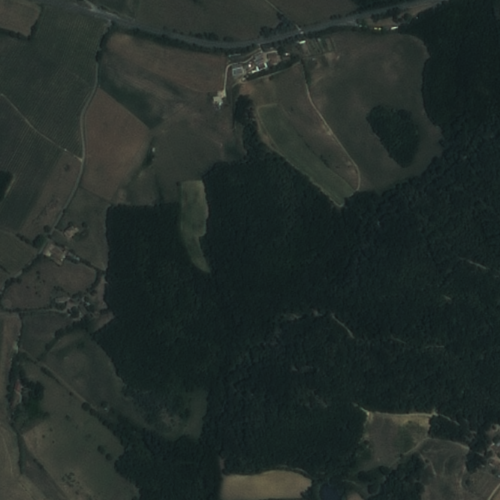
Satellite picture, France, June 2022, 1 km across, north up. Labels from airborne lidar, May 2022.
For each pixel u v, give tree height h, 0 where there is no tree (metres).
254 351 24
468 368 22
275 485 0
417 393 15
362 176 0
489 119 10
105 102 0
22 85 0
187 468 18
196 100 0
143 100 0
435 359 15
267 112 0
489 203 19
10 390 11
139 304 16
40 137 0
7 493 0
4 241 0
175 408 11
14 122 0
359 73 0
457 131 17
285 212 21
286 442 15
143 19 0
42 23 0
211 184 17
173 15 0
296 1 0
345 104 0
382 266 17
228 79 0
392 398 20
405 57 0
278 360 21
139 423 0
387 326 19
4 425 0
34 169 0
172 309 16
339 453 21
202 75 0
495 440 8
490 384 17
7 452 0
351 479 0
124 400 0
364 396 15
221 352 19
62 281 0
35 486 0
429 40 11
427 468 0
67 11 0
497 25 11
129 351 14
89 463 0
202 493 21
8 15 0
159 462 21
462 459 0
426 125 0
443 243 18
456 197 22
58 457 0
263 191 16
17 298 0
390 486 22
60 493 0
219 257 18
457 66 15
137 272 19
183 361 15
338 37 0
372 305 20
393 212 25
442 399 16
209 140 0
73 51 0
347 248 19
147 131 0
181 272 23
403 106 0
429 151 0
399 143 10
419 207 15
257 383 25
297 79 0
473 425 14
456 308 16
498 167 21
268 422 19
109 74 0
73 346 0
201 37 18
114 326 16
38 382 9
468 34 7
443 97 7
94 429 0
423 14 13
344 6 0
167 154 0
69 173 0
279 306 24
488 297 16
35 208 0
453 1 9
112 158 0
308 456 25
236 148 0
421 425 0
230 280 20
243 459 13
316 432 14
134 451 16
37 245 21
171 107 0
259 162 17
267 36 14
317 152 0
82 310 0
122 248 14
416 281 15
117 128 0
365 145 0
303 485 0
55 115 0
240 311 21
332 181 0
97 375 0
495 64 8
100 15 0
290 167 19
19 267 0
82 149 0
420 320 7
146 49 0
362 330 11
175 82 0
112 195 0
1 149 0
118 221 15
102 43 12
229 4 0
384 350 17
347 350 19
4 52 0
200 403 0
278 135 0
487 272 10
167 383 20
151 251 21
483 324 21
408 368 19
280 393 23
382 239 27
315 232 21
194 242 0
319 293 24
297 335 17
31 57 0
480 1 7
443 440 0
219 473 9
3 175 13
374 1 11
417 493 6
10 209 0
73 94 0
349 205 28
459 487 0
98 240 0
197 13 0
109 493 0
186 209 0
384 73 0
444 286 15
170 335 22
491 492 0
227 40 12
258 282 17
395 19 10
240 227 20
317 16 0
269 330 17
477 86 10
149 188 0
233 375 22
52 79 0
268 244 15
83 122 0
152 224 19
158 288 20
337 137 0
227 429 20
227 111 0
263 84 0
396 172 0
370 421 0
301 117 0
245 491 0
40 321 0
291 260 18
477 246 16
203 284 22
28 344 0
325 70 0
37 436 0
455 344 26
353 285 19
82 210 0
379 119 9
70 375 0
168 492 23
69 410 0
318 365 23
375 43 0
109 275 14
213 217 16
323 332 18
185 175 0
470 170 14
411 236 20
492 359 15
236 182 11
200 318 22
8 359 0
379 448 0
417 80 0
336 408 12
